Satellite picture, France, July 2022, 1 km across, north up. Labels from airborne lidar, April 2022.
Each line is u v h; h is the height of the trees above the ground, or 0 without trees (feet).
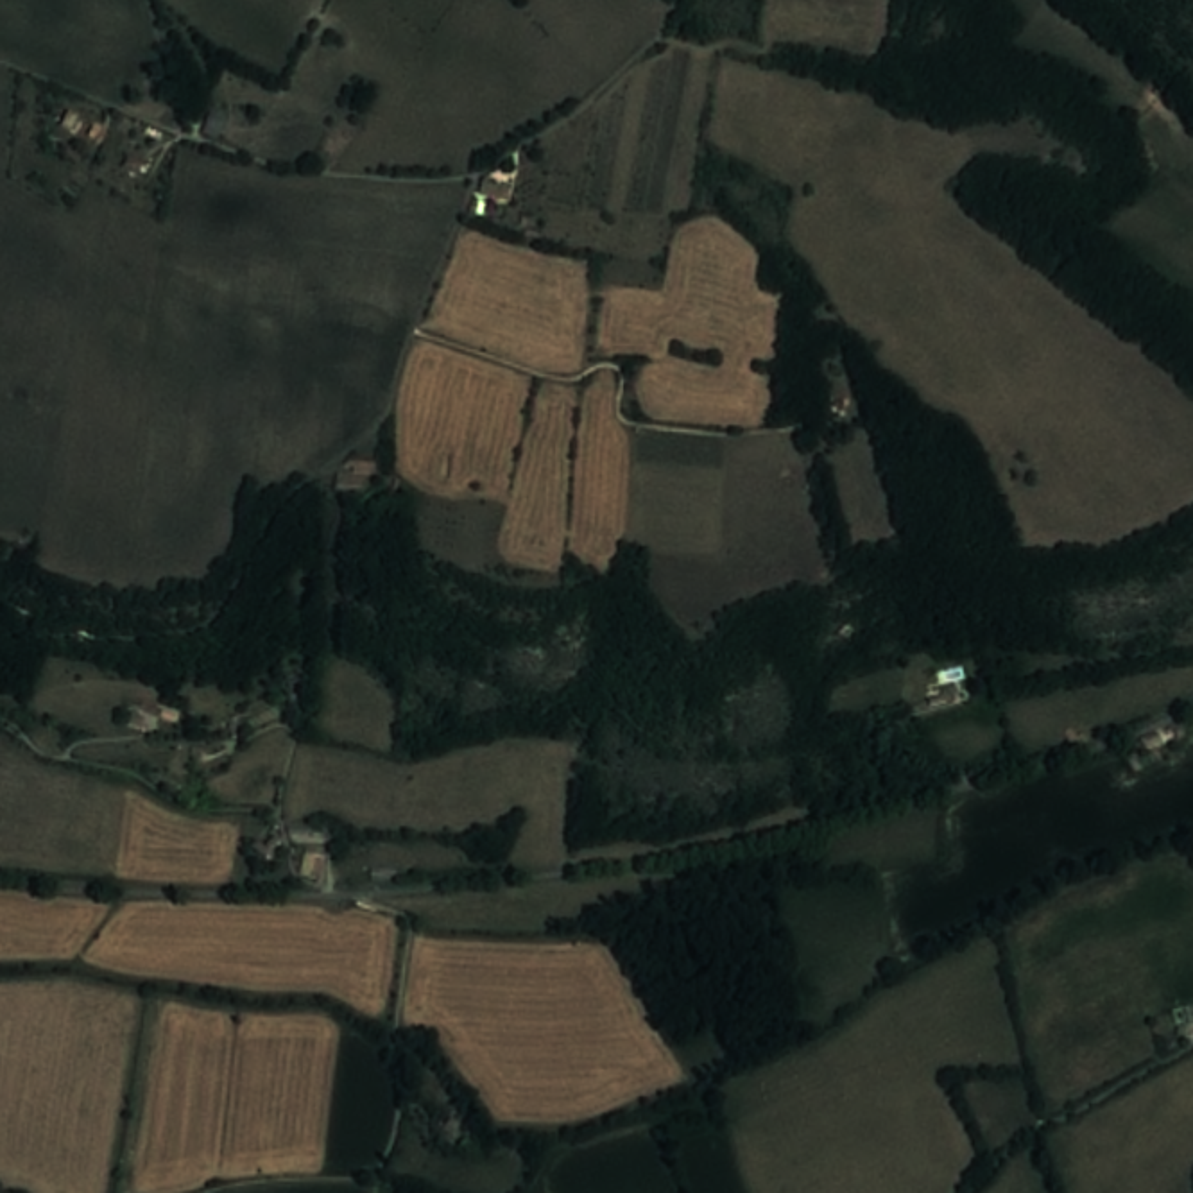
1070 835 0
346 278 0
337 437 0
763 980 73
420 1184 46
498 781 0
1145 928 0
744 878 64
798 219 0
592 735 35
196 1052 0
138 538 0
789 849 99
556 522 0
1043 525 0
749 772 0
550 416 0
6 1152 0
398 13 0
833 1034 0
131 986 0
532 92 0
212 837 0
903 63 51
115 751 0
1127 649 46
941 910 0
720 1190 0
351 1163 0
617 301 0
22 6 0
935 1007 0
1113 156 43
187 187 0
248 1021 0
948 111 40
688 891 60
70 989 0
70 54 0
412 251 0
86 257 0
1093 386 0
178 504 0
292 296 0
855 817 69
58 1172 0
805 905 0
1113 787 0
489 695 0
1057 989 0
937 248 0
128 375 0
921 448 54
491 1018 0
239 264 0
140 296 0
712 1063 0
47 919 0
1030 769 91
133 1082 0
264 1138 0
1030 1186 0
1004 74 58
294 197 0
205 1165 0
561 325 0
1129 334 45
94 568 0
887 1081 0
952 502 52
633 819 31
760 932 69
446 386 0
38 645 64
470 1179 0
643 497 0
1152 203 0
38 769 0
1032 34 0
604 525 0
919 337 0
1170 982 0
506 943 0
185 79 65
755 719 0
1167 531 34
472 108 0
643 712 26
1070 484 0
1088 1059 0
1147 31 23
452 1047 0
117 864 0
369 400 0
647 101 0
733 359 0
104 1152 0
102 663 56
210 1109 0
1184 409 0
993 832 0
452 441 0
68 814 0
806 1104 0
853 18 0
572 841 51
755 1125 0
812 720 56
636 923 65
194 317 0
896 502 50
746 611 40
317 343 0
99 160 29
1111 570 33
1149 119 0
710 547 0
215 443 0
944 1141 0
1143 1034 0
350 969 0
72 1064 0
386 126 0
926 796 73
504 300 0
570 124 0
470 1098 54
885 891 0
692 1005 80
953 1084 50
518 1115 0
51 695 0
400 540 53
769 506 0
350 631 58
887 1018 0
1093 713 0
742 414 0
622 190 0
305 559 69
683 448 0
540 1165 19
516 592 35
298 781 0
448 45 0
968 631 43
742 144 0
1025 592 31
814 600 22
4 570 25
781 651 40
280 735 0
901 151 0
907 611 65
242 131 0
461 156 0
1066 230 61
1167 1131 0
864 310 0
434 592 18
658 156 0
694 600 0
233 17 0
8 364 0
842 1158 0
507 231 33
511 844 42
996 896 0
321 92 0
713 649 24
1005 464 0
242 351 0
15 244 0
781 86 0
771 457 0
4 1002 0
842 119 0
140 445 0
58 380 0
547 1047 0
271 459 0
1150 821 0
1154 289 38
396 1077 45
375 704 0
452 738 48
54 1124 0
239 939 0
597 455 0
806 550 0
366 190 0
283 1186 0
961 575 42
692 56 0
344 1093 0
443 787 0
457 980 0
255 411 0
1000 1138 0
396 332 0
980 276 0
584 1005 0
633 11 0
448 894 51
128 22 0
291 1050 0
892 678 0
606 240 0
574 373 0
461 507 0
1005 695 54
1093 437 0
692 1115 18
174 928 0
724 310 0
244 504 44
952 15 25
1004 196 58
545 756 0
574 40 0
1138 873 0
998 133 0
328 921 0
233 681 44
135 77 0
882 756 43
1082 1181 0
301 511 52
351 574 51
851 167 0
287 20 0
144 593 27
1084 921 0
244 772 0
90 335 0
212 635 30
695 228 0
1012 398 0
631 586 40
